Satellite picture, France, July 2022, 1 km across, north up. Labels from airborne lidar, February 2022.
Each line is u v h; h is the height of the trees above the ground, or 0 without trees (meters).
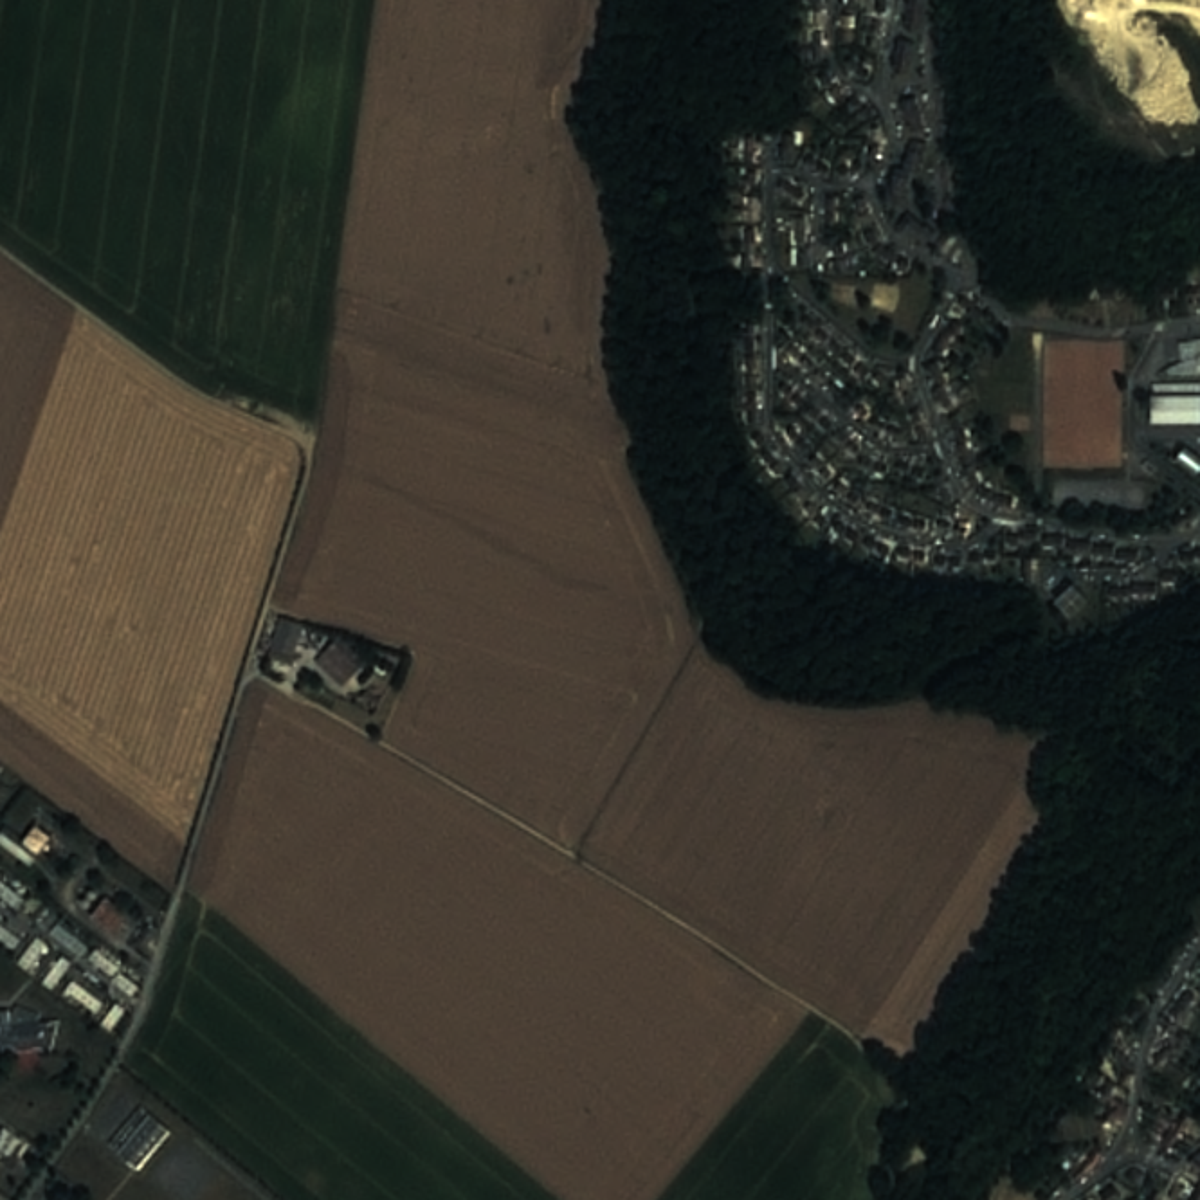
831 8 0
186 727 0
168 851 0
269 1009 0
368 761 0
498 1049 0
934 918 0
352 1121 0
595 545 0
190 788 0
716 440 24
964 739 0
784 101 20
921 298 0
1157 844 19
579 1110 0
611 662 0
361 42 0
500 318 0
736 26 21
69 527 0
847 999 0
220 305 0
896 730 0
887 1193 17
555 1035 0
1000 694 19
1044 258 13
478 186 0
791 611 32
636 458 15
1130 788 21
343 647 0
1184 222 14
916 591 22
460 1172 0
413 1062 0
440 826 0
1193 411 0
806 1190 0
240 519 0
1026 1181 17
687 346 15
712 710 0
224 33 0
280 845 0
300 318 0
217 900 0
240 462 0
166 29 0
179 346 0
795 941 0
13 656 0
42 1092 0
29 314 0
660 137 22
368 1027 0
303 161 0
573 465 0
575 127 16
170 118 0
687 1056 0
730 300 21
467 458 0
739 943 0
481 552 0
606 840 0
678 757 0
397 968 0
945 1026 21
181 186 0
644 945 0
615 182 15
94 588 0
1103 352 0
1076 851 21
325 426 0
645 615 0
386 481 0
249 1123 0
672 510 20
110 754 0
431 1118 0
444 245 0
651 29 16
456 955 0
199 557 0
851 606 26
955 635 22
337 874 0
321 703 0
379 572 0
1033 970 19
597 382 0
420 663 0
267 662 11
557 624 0
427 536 0
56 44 0
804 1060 0
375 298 0
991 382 0
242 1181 0
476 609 0
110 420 0
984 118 17
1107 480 0
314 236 0
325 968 0
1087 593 0
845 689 14
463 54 0
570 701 0
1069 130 15
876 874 0
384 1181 0
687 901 0
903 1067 16
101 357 0
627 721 0
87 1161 0
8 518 0
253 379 0
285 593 0
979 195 15
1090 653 20
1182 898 19
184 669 0
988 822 0
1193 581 7
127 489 0
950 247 0
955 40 24
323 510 0
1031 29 15
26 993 0
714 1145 0
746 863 0
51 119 0
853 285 0
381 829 0
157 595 0
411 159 0
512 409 0
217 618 0
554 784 0
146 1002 0
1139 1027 8
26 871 9
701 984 0
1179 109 0
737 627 23
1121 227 17
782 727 0
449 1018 0
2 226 0
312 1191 0
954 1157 18
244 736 0
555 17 0
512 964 0
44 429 0
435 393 0
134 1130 0
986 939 16
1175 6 0
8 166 0
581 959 0
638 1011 0
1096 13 0
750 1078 0
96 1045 0
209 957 0
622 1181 0
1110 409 0
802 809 0
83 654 0
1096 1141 7
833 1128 0
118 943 0
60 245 0
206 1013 0
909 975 0
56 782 0
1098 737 19
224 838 0
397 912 0
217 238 0
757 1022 0
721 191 16
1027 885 19
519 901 0
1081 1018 17
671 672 0
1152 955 18
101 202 0
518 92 0
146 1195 0
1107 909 21
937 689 18
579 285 0
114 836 0
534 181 0
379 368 0
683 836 0
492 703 0
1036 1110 19
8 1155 0
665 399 25
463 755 0
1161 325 0
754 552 18
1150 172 9
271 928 0
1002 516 0
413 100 0
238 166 0
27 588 0
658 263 23
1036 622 6
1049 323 0
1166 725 14
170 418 0
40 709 0
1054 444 0
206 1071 0
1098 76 0
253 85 0
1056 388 0
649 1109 0
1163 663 9
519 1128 0
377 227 0
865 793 0
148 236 0
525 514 0
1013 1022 20
